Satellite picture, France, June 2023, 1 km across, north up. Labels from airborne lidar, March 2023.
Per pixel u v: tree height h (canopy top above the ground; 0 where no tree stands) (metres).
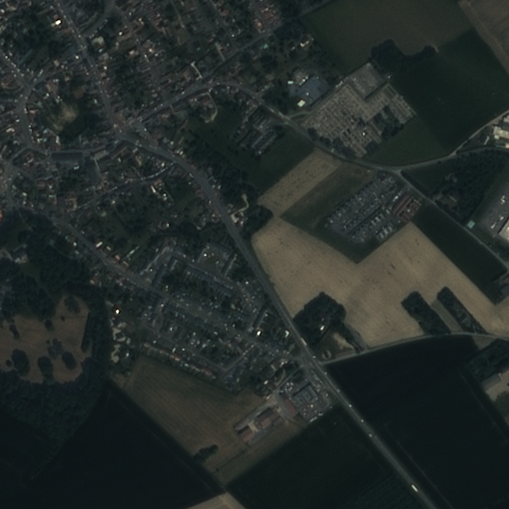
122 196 10
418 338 0
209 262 0
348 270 0
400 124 12
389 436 0
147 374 0
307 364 0
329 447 0
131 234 12
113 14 0
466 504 0
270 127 0
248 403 0
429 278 0
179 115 0
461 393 0
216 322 0
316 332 8
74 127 0
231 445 0
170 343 0
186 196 0
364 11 0
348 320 0
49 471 0
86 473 0
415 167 0
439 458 0
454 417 0
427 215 0
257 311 0
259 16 0
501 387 0
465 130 0
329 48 0
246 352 0
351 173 0
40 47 6
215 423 0
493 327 0
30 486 0
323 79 0
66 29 0
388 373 0
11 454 0
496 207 0
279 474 0
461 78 0
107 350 22
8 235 16
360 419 0
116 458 0
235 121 0
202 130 0
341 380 0
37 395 16
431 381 0
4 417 0
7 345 0
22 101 0
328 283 0
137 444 0
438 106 0
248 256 0
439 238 0
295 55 12
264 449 0
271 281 0
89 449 0
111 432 0
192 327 0
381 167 0
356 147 0
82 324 0
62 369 0
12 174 0
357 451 0
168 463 0
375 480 0
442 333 12
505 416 0
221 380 0
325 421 0
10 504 0
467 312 11
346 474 0
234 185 14
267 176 0
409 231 0
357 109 0
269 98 19
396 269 0
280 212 0
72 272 21
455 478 0
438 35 0
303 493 0
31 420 21
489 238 0
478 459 0
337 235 0
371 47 0
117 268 0
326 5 0
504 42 0
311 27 0
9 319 18
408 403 0
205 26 0
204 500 0
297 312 0
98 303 19
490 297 0
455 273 0
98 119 12
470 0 0
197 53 0
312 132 16
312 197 0
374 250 0
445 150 0
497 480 0
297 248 0
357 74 0
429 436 0
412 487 0
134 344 0
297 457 0
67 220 0
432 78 0
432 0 0
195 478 0
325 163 0
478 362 7
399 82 0
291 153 0
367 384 0
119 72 6
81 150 0
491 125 0
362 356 0
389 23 0
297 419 0
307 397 0
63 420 27
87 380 22
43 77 0
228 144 0
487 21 0
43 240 19
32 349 0
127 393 0
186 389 0
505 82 0
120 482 0
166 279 10
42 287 0
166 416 0
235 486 0
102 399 0
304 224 0
